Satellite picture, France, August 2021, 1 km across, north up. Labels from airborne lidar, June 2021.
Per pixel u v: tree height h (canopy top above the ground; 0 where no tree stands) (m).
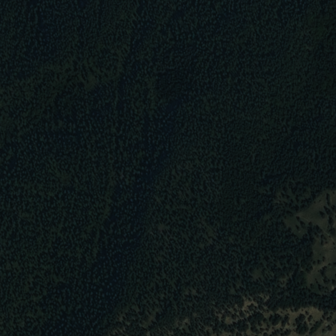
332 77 19
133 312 22
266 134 16
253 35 30
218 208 12
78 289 28
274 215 25
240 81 9
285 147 9
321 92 18
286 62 26
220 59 7
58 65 25
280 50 24
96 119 19
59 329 8
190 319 12
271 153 5
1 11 25
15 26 12
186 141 26
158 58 22
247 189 13
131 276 18
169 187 6
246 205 10
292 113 12
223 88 24
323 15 15
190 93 23
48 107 9
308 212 0
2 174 8
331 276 0
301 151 28
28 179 27
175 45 6
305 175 22
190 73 19
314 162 14
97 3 28
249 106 22
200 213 19
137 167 10
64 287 9
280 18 9
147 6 6
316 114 14
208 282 22
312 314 0
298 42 19
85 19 9
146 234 20
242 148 18
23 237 22
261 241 7
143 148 34
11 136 9
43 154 8
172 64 23
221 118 27
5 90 26
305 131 17
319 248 0
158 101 9
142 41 6
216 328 16
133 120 9
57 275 8
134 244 22
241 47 11
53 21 22
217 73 7
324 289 10
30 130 23
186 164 17
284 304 27
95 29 8
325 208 0
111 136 12
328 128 10
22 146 6
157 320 0
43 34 23
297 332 10
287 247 23
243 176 10
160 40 28
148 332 19
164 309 21
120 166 16
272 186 31
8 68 9
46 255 22
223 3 29
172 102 10
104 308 18
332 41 15
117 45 30
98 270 9
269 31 7
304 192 13
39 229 13
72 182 7
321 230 25
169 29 26
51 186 24
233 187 13
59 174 7
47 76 12
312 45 27
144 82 9
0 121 30
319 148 11
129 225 24
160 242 23
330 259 0
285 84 21
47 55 10
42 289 28
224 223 9
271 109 6
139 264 17
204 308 24
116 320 14
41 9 24
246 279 25
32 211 26
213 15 27
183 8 27
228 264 30
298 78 13
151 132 9
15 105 14
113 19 6
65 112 8
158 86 11
